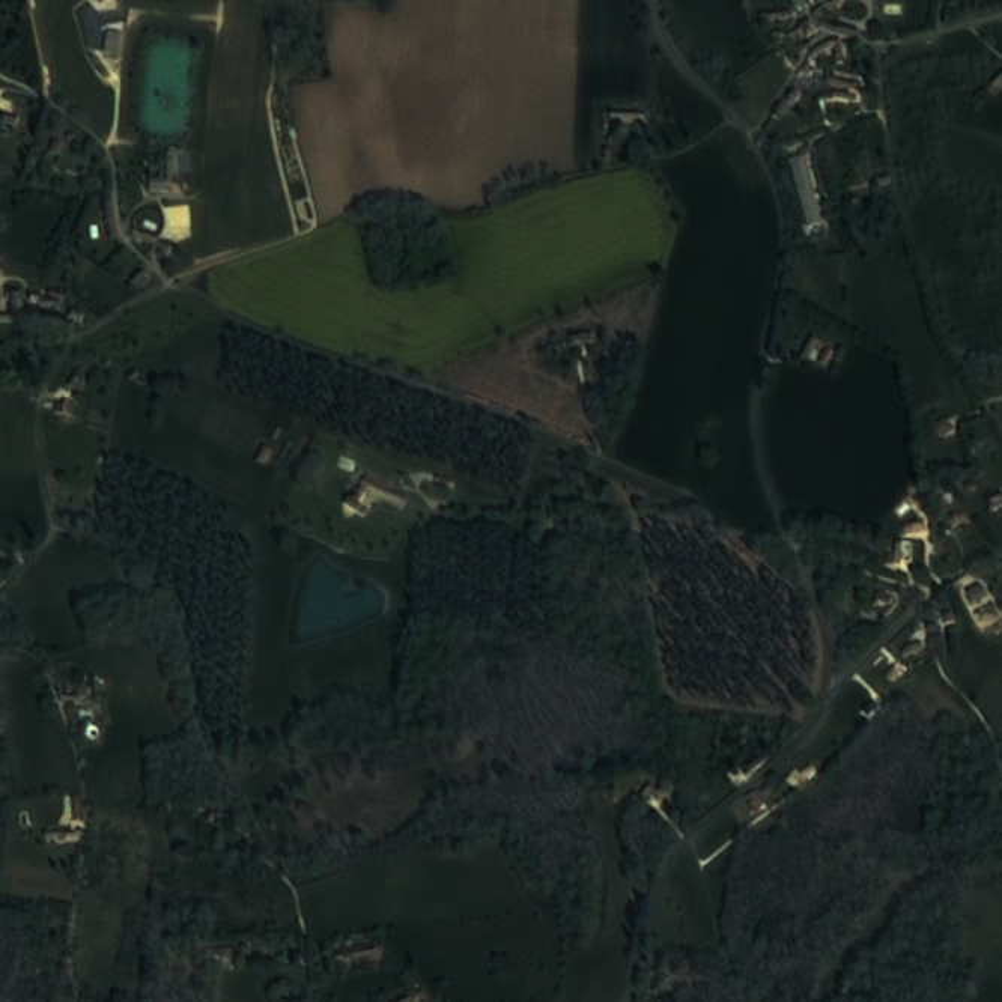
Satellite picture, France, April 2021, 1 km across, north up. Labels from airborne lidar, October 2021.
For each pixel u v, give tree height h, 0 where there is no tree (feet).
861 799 38
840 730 0
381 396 52
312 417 56
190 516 58
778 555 66
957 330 23
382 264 56
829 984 0
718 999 72
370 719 79
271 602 0
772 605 56
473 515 49
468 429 70
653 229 0
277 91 46
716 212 0
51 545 0
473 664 66
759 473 0
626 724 63
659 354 0
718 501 0
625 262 0
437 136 0
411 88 0
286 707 0
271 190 0
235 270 0
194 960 55
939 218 0
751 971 50
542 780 54
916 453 47
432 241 84
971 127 0
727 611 67
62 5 0
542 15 0
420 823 52
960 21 42
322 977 26
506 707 62
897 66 28
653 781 52
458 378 0
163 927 35
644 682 90
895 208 36
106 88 0
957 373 28
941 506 52
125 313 20
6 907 40
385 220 89
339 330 0
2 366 30
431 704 66
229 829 23
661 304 0
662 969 53
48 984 40
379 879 0
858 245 44
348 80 0
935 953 53
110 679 0
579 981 0
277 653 0
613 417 66
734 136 0
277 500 0
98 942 0
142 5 0
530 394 0
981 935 0
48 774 0
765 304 0
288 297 0
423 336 0
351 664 0
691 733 49
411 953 0
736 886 52
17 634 73
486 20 0
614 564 72
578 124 0
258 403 54
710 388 0
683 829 31
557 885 46
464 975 0
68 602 0
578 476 67
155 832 0
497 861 0
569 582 68
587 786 48
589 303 0
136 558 28
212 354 0
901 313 0
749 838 46
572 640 67
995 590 43
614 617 77
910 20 0
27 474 0
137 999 24
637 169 72
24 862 0
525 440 70
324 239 0
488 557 82
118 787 0
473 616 76
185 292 0
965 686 0
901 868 93
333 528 38
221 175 0
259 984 0
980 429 0
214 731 91
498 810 59
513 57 0
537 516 72
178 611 62
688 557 69
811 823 33
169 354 0
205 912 67
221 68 0
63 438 0
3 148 0
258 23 0
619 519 40
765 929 37
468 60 0
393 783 0
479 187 0
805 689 53
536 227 0
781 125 0
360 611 0
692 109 0
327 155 0
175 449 0
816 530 73
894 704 49
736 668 65
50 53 0
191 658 63
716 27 0
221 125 0
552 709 64
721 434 0
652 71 0
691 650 71
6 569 49
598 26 0
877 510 0
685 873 0
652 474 0
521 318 0
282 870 29
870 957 69
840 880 36
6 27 0
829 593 73
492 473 70
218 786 69
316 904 0
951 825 58
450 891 0
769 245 0
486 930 0
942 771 46
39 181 32
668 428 0
